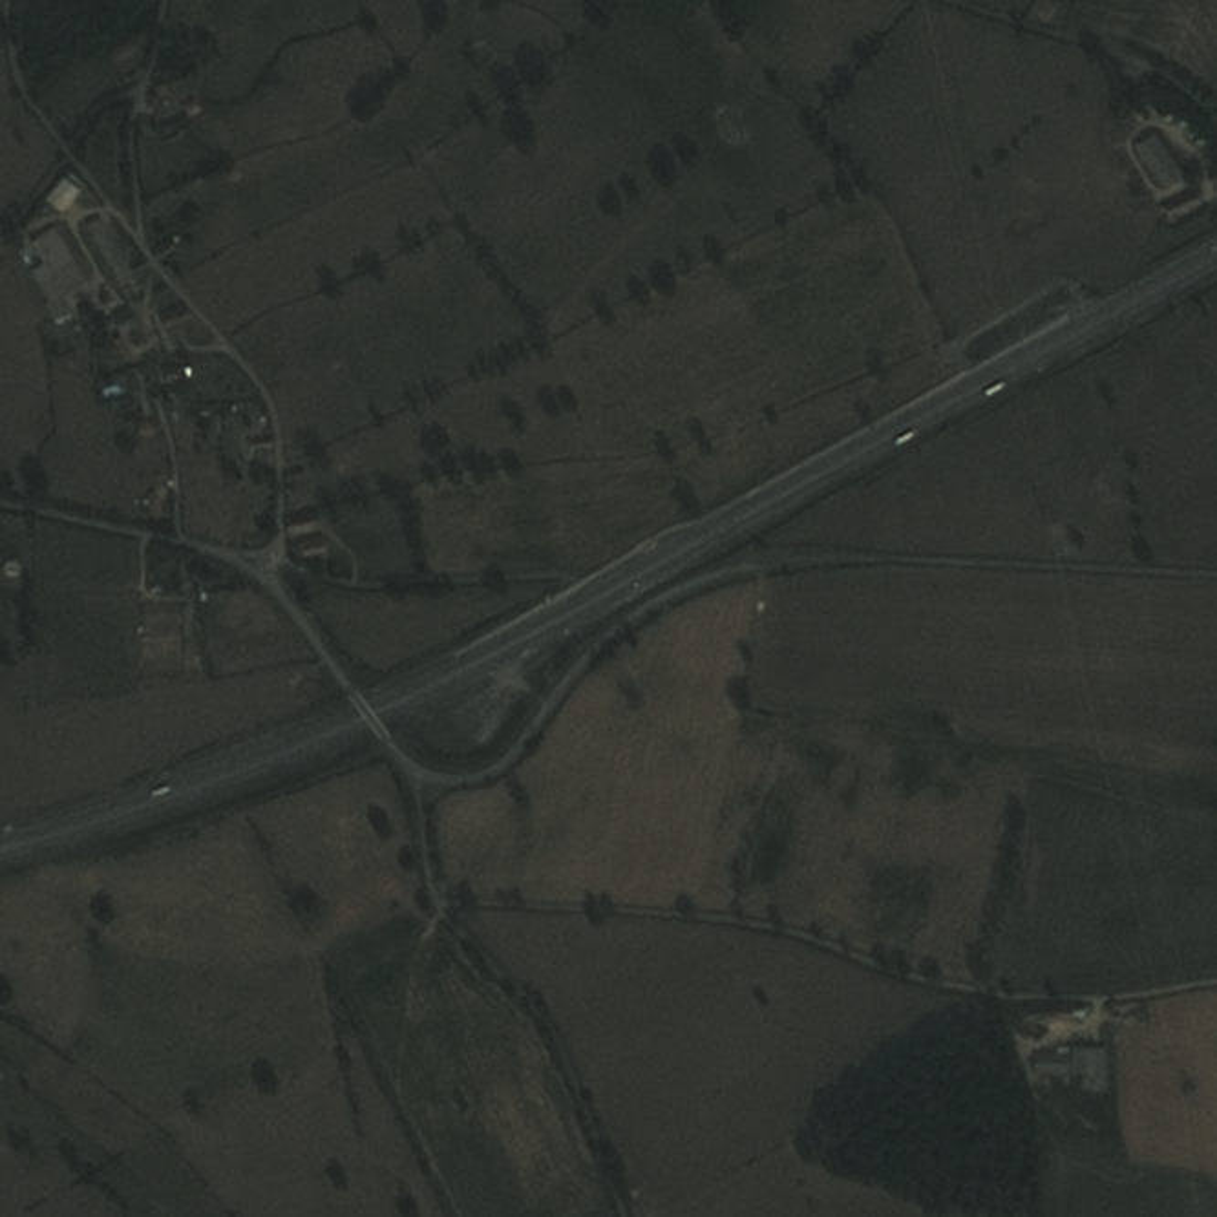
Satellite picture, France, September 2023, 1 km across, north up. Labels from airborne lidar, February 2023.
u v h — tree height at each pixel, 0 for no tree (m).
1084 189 0
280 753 0
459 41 0
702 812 0
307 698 0
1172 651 0
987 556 0
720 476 0
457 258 0
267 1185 0
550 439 0
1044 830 0
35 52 10
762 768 0
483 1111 0
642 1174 0
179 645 0
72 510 10
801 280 0
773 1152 0
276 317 0
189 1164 0
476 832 0
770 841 0
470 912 13
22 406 0
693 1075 0
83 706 0
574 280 0
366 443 0
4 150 0
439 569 0
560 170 0
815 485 0
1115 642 0
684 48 0
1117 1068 0
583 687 0
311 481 0
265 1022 0
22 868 0
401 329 0
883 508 0
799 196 0
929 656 0
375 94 17
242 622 0
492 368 17
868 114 0
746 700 15
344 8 0
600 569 0
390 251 0
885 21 0
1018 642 0
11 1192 0
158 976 0
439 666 0
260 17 0
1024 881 0
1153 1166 0
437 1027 0
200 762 0
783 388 0
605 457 0
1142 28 0
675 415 0
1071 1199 0
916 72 0
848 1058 0
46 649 0
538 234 0
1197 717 0
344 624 0
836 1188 0
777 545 0
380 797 0
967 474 0
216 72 0
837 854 0
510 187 0
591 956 0
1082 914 0
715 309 0
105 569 0
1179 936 0
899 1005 0
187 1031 0
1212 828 0
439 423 0
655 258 0
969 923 0
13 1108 0
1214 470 0
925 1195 20
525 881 0
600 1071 0
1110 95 0
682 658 0
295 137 0
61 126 6
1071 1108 0
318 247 0
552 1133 0
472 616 0
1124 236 0
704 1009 0
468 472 17
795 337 0
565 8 0
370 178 0
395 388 0
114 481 0
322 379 0
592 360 0
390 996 0
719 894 0
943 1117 20
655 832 0
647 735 0
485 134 0
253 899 0
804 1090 0
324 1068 0
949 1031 19
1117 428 0
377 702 0
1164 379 0
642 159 0
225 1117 0
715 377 0
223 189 0
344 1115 0
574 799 0
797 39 0
